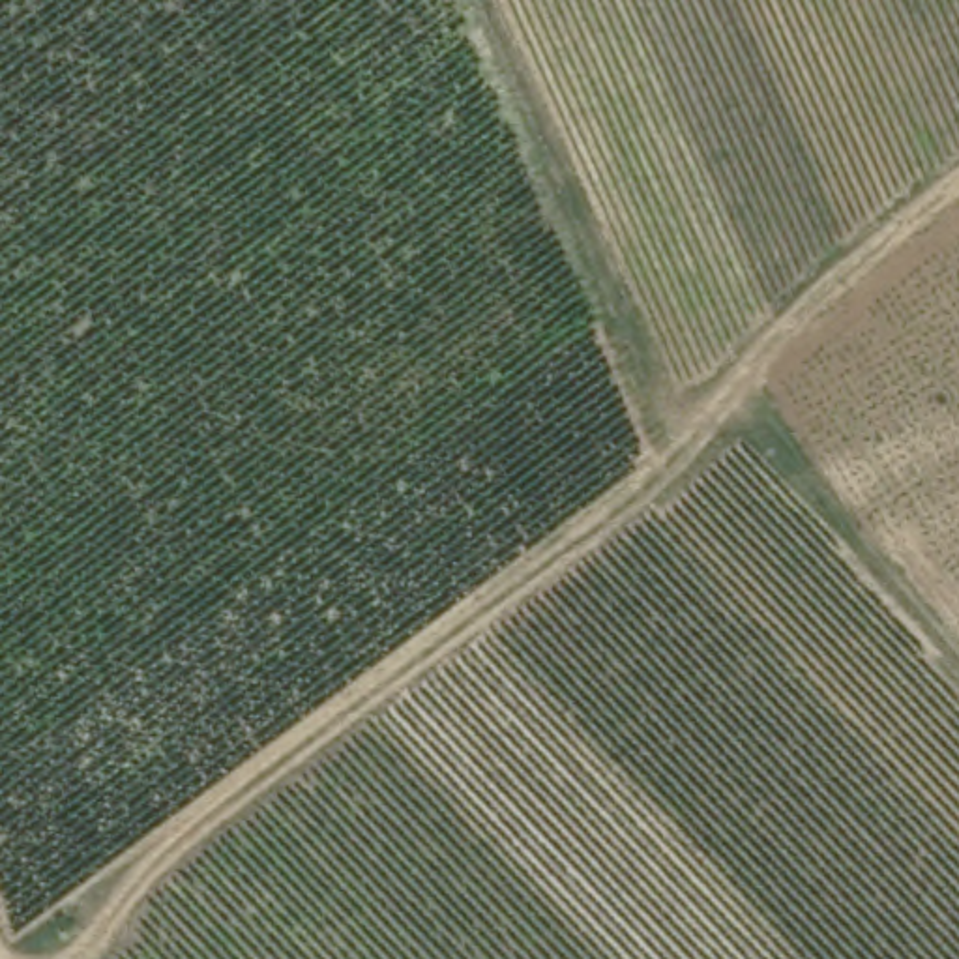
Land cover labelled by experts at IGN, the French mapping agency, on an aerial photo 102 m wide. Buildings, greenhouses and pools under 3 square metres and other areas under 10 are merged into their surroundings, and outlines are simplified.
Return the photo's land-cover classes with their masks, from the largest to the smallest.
<instances>
[{"label":"vineyard","instance_id":"1","mask_svg":"<svg viewBox=\"0 0 959 959\"><path fill-rule=\"evenodd\" d=\"M952 169H959V0H0V892L7 899L11 929L30 922L41 907L67 895L97 865L112 862L131 843L150 835L172 813L191 805L210 787H217L247 757L266 749L288 727H296L307 712L341 693L367 667L401 648L416 629L450 611L461 596L491 581L502 566H509L521 554V547L543 543L573 513L592 506L603 491L629 476L637 450L663 446L667 435L682 427L686 412H693L708 393L723 386V378L749 352V345L775 326L779 315H787V307L805 288H813L839 258L858 251L888 221H895L922 191L944 180ZM693 468L704 480L697 494H689L671 517L641 521L637 528H626L614 539H607L569 577L524 599L509 618H502V626L491 629L480 648L461 644L450 656V663L423 671L405 701L386 697L367 719H360L348 734L333 738L315 760L300 764L285 783L255 798L243 813H236L221 832H214L195 854H187L172 873H165L150 888V895L135 907V914L124 922V929L101 959H959V199L944 206L929 225H922L910 240H903L884 262H877L858 288L843 292L828 311H820L817 330H802L790 337L783 356L772 363L764 390L749 397L745 412L738 420H727L716 431V438L697 453Z\"/></svg>","mask_w":959,"mask_h":959},{"label":"pervious surface","instance_id":"2","mask_svg":"<svg viewBox=\"0 0 959 959\"><path fill-rule=\"evenodd\" d=\"M959 199V169H952L944 180L922 191L895 221H888L858 251L839 258L813 288H805L787 307V315H779L775 326L749 345V352L723 378V386L708 393L693 412H686L682 427L667 435L663 446L637 450L629 476L603 491L592 506L573 513L543 543L521 547V554L509 566H502L491 581L461 596L450 611L416 629L401 648L367 667L341 693L307 712L296 727H288L266 749L247 757L217 787H210L191 805L172 813L150 835L131 843L112 862L97 865L67 895L41 907L30 922L11 929L7 899L0 892V959H101L124 929V922L135 914V907L150 895V888L165 873H172L187 854H195L214 832H221L236 813H243L255 798L285 783L300 764L315 760L333 738L348 734L360 719H367L386 697L405 701L423 671L450 663V656L461 644L480 648L491 629L502 626V618H509L524 599L569 577L607 539H614L626 528H637L641 521L671 517L689 494H697L704 480L693 468L697 453L716 438V431L727 420H738L745 412L749 397L764 390L772 363L783 356L790 337L802 330H817L820 311H828L843 292L858 288L877 262H884L903 240H910L922 225H929L944 206Z\"/></svg>","mask_w":959,"mask_h":959}]
</instances>
